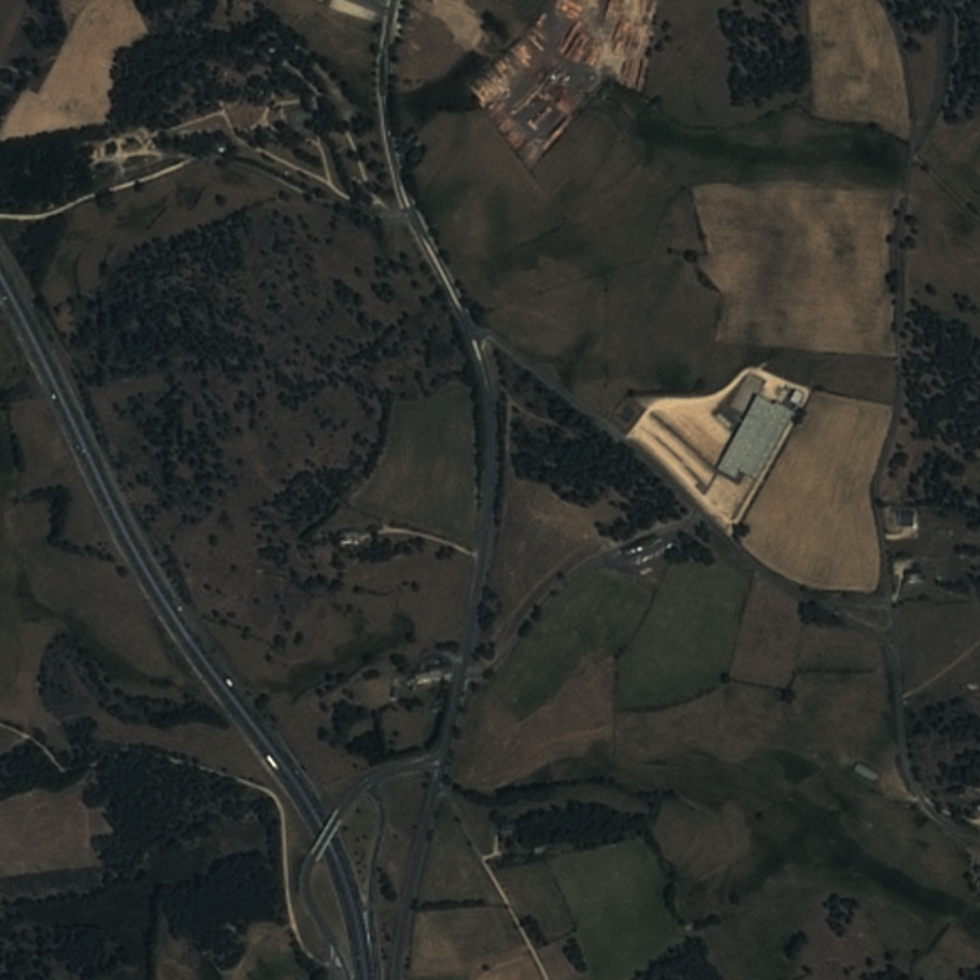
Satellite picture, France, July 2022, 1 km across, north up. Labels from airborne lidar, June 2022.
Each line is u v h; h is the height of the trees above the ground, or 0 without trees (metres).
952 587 13
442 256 12
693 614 0
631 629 0
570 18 0
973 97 11
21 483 0
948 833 0
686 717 0
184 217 0
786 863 0
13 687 0
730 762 0
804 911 0
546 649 0
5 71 11
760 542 0
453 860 0
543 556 0
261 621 0
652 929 0
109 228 0
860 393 0
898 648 0
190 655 0
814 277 0
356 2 0
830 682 0
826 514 0
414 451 0
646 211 0
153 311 14
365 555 13
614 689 0
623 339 0
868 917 0
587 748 0
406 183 14
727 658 0
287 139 17
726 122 0
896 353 0
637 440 0
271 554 12
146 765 16
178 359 0
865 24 0
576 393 0
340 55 0
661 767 0
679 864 0
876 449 0
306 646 0
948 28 0
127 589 0
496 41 0
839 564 0
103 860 12
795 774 0
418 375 10
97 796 17
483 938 0
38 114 0
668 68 0
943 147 0
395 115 17
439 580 0
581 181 0
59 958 14
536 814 17
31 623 0
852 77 0
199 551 0
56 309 9
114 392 0
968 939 0
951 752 0
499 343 0
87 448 0
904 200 0
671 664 0
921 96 0
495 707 0
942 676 0
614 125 0
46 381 0
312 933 0
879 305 0
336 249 0
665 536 0
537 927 9
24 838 0
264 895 15
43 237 13
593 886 0
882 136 0
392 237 0
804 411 11
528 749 0
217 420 9
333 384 8
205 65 13
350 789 0
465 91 0
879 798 0
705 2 0
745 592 0
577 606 0
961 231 0
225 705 0
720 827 0
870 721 0
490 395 0
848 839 0
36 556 0
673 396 0
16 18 0
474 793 15
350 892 0
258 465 0
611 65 0
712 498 0
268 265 0
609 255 0
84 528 0
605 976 0
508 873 0
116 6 0
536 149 0
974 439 13
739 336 0
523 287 0
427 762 0
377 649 0
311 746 0
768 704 0
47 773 13
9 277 0
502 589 0
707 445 0
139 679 0
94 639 0
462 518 0
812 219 0
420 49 0
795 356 0
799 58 17
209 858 0
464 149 0
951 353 15
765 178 0
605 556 0
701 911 0
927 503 10
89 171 7
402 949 0
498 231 0
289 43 17
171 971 0
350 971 0
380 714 8
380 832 0
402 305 0
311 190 10
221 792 13
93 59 0
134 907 0
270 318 0
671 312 0
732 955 0
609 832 14
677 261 0
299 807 0
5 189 7
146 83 10
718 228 0
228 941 9
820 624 7
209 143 16
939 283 0
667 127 0
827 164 0
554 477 17
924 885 0
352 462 8
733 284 0
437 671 0
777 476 0
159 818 14
